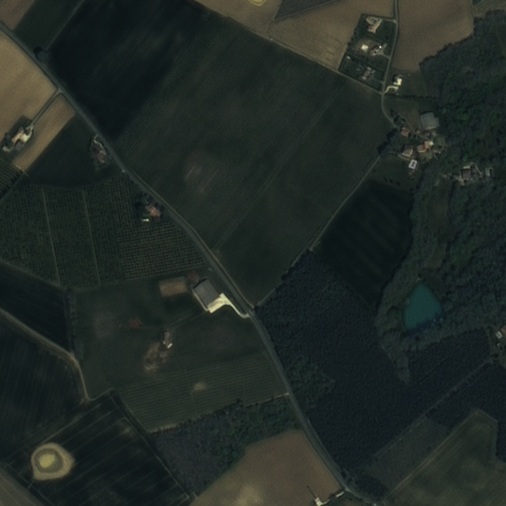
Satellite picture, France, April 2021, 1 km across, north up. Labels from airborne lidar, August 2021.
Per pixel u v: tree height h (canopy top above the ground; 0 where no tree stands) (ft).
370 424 50
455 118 29
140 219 25
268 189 0
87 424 0
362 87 0
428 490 0
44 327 0
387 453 41
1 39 0
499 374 42
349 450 43
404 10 0
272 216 0
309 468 0
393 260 0
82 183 0
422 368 62
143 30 0
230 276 0
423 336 71
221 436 64
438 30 0
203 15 0
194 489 43
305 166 0
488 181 58
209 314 0
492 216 53
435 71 59
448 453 0
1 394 0
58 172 0
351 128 0
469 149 56
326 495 0
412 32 0
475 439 0
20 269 0
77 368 0
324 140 0
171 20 0
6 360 0
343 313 50
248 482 0
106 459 0
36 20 0
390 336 83
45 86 0
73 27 0
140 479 0
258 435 42
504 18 67
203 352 0
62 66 0
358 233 0
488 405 40
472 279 60
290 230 0
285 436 0
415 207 51
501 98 86
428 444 48
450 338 31
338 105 0
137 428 0
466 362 40
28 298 0
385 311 82
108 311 0
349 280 0
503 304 38
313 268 56
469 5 0
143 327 0
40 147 0
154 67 0
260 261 0
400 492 0
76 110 0
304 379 61
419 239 52
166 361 0
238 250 0
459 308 67
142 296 0
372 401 50
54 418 0
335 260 0
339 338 51
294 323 21
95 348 0
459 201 73
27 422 0
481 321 45
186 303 0
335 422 59
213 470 46
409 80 0
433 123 0
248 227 0
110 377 0
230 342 0
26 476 0
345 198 0
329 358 58
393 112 31
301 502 0
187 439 60
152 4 0
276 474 0
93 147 21
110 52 0
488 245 35
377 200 0
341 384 50
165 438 50
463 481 0
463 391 43
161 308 0
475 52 65
